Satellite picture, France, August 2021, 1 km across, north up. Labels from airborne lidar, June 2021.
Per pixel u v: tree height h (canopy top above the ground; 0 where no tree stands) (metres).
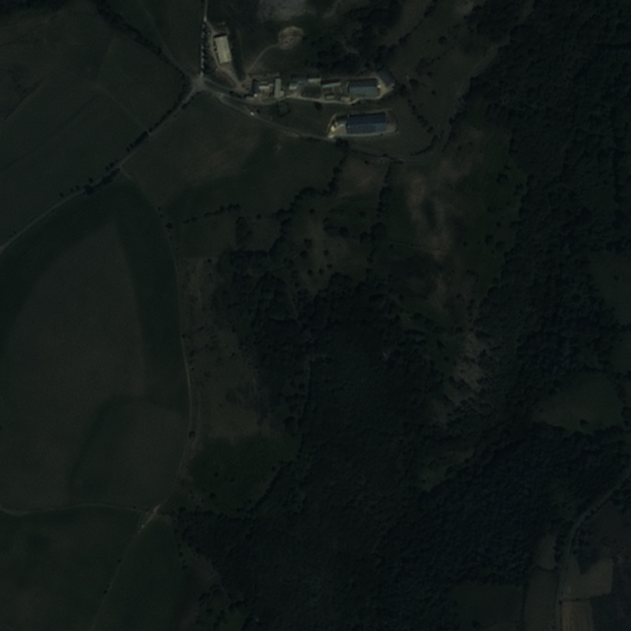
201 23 0
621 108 18
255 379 0
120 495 0
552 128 24
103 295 0
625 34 21
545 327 27
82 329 0
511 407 28
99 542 0
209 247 0
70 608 0
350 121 0
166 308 0
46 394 0
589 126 26
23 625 0
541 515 21
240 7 0
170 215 0
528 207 20
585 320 9
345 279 14
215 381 0
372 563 24
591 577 0
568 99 18
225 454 0
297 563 15
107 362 0
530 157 23
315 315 20
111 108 0
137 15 0
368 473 16
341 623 20
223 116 0
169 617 0
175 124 0
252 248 0
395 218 0
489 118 8
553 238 23
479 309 7
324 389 22
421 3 0
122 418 0
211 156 0
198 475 0
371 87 0
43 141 0
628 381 7
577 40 19
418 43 0
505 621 0
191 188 0
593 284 13
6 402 0
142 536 0
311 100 0
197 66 0
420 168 0
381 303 27
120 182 0
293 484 12
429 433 10
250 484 0
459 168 0
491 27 14
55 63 0
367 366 23
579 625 0
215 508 0
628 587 0
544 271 27
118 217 0
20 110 0
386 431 22
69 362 0
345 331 27
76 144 0
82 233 0
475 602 0
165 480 0
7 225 0
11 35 0
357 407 21
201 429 0
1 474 0
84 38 0
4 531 0
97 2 15
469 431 28
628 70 27
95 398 0
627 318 0
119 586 0
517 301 22
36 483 0
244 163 0
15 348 0
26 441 0
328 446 16
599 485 19
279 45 0
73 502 0
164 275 0
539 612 0
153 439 0
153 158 0
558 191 17
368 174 0
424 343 16
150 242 0
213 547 14
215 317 0
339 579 24
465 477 23
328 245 0
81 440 0
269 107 0
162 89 0
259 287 8
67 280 0
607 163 19
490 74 9
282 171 0
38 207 0
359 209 0
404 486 17
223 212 14
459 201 0
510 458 24
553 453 20
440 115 0
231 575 14
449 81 0
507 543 9
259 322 11
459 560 11
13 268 0
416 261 0
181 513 11
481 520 20
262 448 0
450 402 23
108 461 0
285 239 17
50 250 0
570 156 20
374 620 20
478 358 13
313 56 0
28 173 0
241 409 0
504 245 13
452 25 0
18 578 0
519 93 7
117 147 0
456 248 0
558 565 10
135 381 0
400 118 0
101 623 0
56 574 0
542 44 16
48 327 0
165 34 0
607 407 0
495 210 14
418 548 21
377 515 12
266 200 0
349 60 20
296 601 13
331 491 12
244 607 18
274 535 26
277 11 0
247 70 0
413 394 26
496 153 0
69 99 0
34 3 20
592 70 28
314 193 16
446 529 20
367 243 15
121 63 0
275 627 11
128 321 0
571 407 0
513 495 21
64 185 0
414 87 17
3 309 0
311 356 12
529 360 22
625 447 8
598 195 0
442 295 0
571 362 15
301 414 12
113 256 0
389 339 17
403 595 20
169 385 0
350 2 0
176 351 0
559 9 27
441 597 13
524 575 13
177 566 0
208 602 10
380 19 22
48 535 0
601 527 0
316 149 0
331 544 15
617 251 13
